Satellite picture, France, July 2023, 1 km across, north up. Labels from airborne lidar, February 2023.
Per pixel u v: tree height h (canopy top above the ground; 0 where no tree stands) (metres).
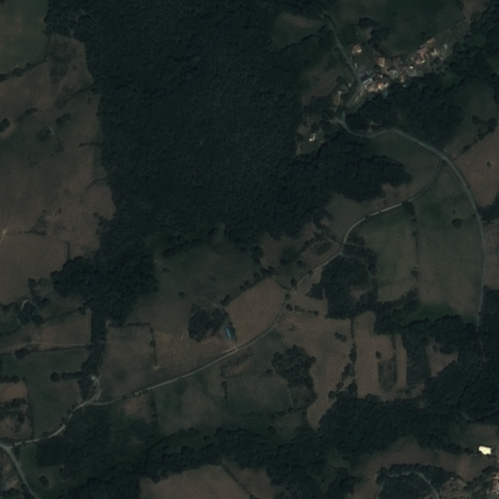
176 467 22
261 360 0
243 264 0
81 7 20
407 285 0
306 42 14
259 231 10
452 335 19
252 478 0
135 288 21
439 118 21
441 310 0
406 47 0
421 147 0
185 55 15
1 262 0
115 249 17
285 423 0
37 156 0
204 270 0
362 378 0
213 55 15
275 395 0
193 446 0
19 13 0
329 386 0
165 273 9
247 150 16
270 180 21
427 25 0
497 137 0
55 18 14
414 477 12
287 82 22
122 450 7
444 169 0
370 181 22
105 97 10
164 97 20
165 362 0
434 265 0
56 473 0
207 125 6
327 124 11
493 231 0
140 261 15
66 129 0
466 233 0
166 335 0
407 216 0
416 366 8
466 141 0
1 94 0
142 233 20
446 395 14
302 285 0
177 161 10
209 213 18
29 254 0
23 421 10
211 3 24
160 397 0
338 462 0
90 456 18
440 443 21
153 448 10
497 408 18
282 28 0
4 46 0
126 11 20
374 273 9
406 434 13
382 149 0
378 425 24
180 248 11
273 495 0
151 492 0
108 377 0
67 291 13
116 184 8
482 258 0
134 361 0
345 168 22
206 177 12
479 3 0
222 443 17
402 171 19
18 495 18
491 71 13
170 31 24
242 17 26
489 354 16
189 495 0
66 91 0
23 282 0
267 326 0
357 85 10
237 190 16
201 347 0
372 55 0
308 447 17
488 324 15
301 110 17
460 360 12
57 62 0
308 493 22
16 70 9
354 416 20
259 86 21
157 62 18
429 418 22
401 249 0
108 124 11
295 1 19
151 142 11
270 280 0
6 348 0
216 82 15
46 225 0
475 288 0
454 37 0
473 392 26
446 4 0
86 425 7
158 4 20
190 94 22
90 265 6
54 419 0
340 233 0
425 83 20
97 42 18
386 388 0
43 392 0
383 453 10
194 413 0
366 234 0
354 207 0
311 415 0
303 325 0
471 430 0
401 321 8
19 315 9
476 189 0
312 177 20
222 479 0
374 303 17
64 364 0
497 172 0
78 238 0
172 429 0
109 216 0
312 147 0
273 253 0
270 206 24
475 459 0
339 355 0
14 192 0
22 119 0
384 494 8
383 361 0
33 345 0
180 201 19
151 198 15
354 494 14
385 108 22
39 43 0
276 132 20
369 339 0
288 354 9
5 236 0
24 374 0
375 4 0
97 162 0
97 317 7
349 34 0
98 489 13
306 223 14
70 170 0
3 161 0
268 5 23
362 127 15
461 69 16
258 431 0
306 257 0
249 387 0
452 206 0
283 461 25
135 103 22
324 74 0
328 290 10
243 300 0
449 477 10
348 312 11
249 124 12
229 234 21
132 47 24
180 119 13
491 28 20
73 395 0
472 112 0
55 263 0
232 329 7
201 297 0
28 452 0
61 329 0
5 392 0
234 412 0
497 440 0
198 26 29
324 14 13
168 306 0
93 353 8
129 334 0
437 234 0
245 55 21
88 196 0
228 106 10
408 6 0
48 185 0
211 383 0
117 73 21
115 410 0
